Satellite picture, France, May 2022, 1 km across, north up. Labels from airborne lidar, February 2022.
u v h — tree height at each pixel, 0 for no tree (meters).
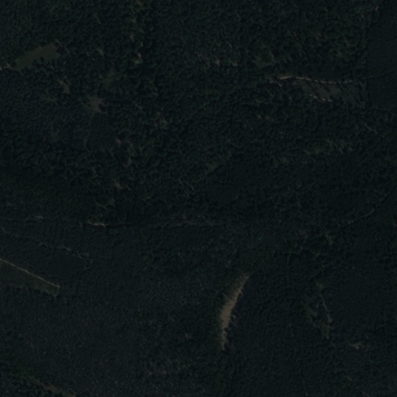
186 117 25
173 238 12
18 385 20
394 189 9
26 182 23
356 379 17
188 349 22
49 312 20
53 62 0
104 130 10
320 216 10
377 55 17
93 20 30
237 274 23
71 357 21
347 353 23
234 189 13
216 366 22
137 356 21
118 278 17
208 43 27
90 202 25
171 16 30
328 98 0
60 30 28
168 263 22
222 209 24
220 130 25
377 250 27
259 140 28
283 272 25
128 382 22
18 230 15
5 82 26
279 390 20
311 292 20
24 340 19
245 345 20
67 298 19
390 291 12
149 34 34
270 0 26
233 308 0
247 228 19
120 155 8
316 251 21
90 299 16
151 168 38
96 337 20
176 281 21
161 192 27
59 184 25
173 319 22
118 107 31
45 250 14
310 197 11
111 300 16
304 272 23
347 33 27
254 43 28
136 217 24
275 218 22
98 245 16
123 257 16
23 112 27
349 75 8
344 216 11
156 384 15
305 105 25
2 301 20
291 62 6
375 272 12
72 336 21
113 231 15
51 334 17
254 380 22
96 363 22
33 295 19
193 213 15
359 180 10
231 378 28
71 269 8
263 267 26
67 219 18
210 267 22
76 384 22
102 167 31
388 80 14
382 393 20
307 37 26
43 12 32
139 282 19
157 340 24
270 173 10
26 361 18
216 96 27
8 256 14
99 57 34
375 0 28
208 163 28
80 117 26
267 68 8
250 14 26
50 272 8
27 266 9
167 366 20
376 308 14
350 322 11
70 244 18
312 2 25
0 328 20
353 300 13
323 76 10
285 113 29
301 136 16
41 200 23
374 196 7
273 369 22
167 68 29
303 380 20
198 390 16
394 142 29
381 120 7
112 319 17
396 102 12
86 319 16
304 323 18
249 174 10
